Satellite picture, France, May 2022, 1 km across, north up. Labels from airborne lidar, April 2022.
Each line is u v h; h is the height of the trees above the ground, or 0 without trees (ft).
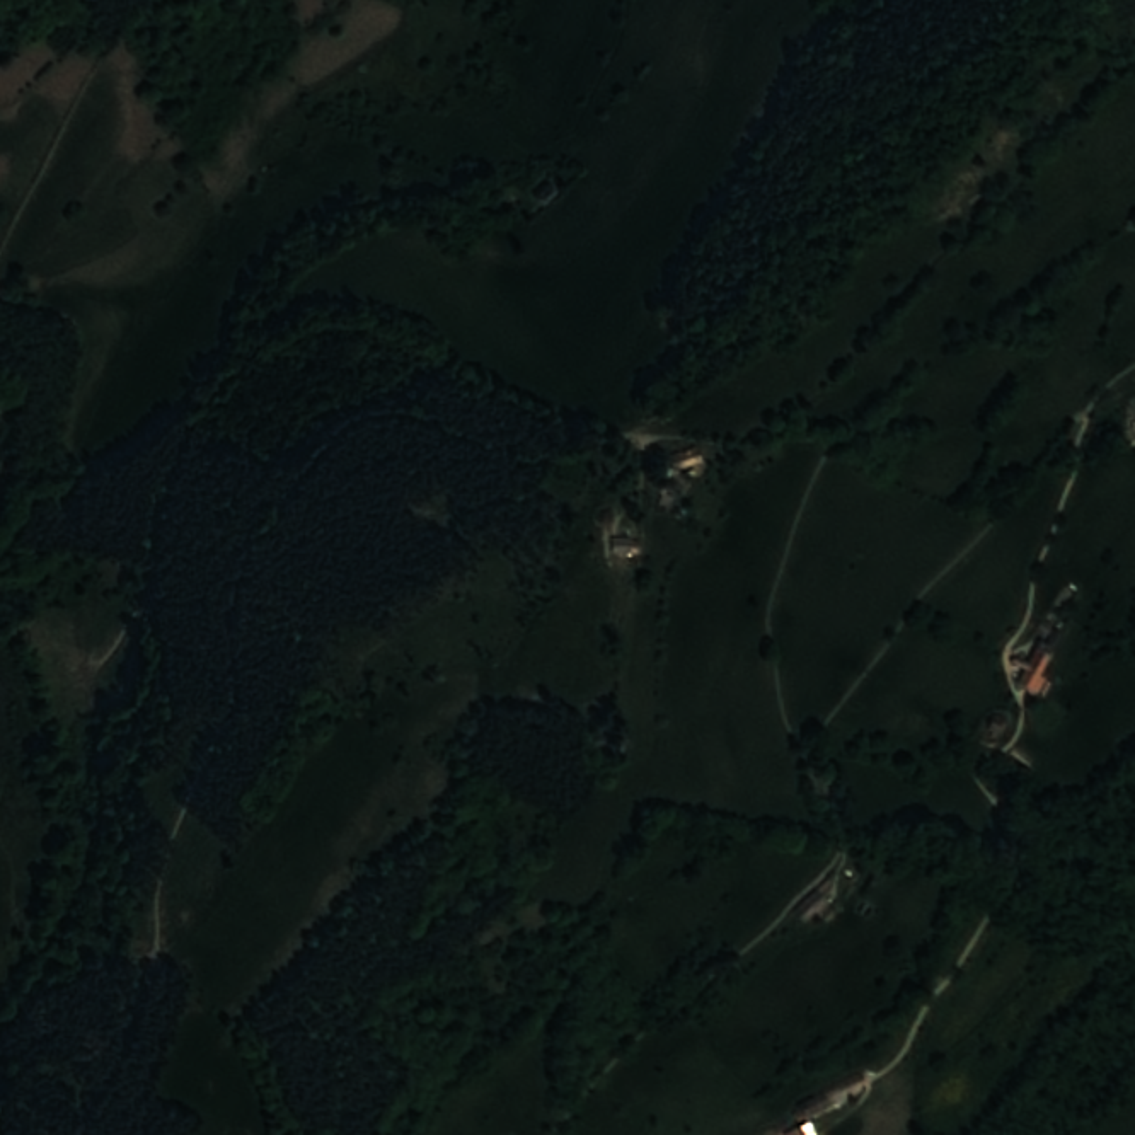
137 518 93
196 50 32
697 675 0
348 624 81
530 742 98
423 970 65
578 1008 109
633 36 0
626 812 0
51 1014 100
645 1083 0
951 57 35
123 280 0
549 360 0
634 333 0
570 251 0
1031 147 55
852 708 0
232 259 0
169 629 100
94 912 33
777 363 0
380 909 97
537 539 95
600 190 0
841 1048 31
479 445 93
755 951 0
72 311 0
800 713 0
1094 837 111
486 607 0
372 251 0
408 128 0
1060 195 0
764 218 46
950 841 94
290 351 45
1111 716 0
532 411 68
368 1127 94
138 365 0
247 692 86
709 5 0
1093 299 0
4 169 0
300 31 28
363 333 33
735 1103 0
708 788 0
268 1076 93
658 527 0
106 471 86
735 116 0
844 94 62
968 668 0
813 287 71
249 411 53
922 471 0
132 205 0
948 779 0
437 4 0
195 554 92
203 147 29
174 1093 0
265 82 40
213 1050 0
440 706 0
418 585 88
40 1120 81
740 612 0
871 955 0
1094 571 0
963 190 0
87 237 0
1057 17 65
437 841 71
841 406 0
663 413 66
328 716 76
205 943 0
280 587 76
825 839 68
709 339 72
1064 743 0
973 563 0
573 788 87
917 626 41
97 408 0
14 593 21
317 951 79
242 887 0
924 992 101
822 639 0
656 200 0
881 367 0
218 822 85
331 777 0
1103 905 42
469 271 0
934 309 0
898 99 46
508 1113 0
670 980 38
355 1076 92
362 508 87
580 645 0
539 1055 0
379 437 96
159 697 88
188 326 0
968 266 0
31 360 63
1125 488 0
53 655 0
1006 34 53
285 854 0
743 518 0
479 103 0
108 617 0
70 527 86
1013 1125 104
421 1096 97
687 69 0
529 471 104
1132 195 0
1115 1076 89
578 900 0
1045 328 80
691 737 0
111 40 71
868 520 0
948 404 0
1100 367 0
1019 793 90
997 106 19
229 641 82
